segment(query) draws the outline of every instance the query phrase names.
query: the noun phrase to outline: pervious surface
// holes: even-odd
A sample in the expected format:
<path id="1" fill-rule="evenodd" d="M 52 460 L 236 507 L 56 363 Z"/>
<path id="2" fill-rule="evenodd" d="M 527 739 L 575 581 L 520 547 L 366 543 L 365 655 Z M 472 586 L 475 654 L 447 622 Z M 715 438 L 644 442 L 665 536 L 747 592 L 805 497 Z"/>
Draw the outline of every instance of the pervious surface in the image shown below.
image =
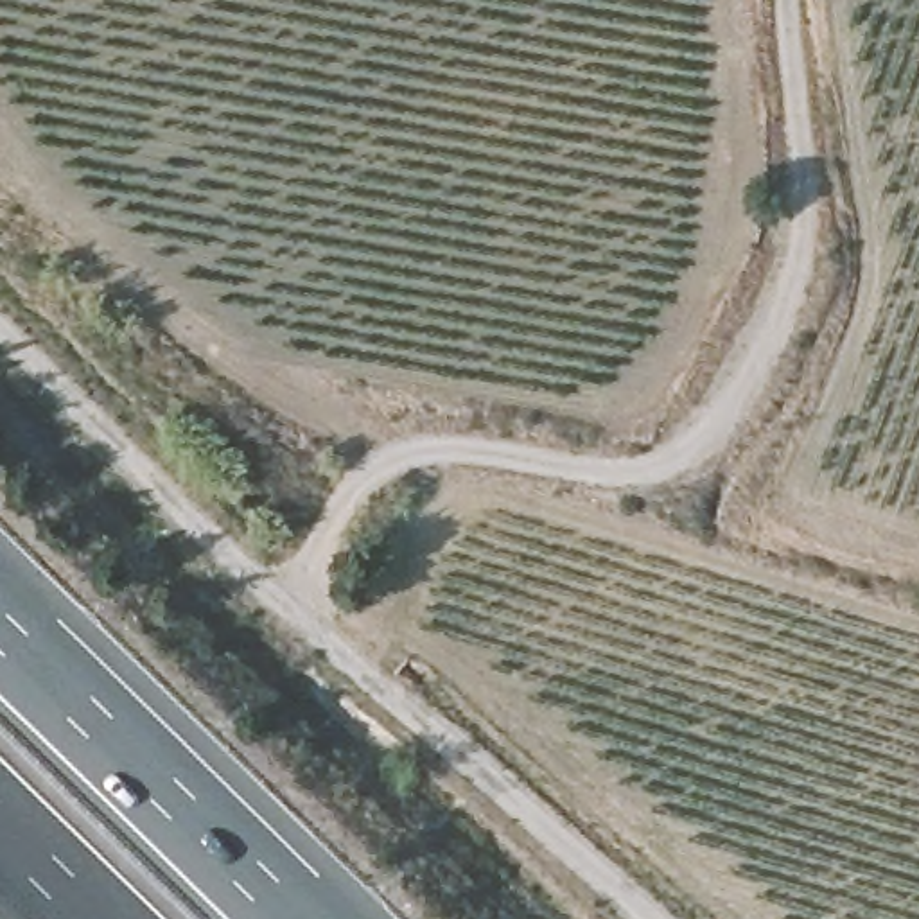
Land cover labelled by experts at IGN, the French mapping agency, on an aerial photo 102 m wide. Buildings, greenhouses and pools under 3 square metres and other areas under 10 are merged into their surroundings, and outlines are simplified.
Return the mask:
<path id="1" fill-rule="evenodd" d="M 700 467 L 714 452 L 722 452 L 725 442 L 736 434 L 736 424 L 747 413 L 754 413 L 757 398 L 765 395 L 772 366 L 779 363 L 779 352 L 797 334 L 797 309 L 804 305 L 818 233 L 815 201 L 833 194 L 826 162 L 811 158 L 815 140 L 797 0 L 775 0 L 790 162 L 768 165 L 757 179 L 768 194 L 779 197 L 779 212 L 786 215 L 783 223 L 790 230 L 786 251 L 775 258 L 750 323 L 736 334 L 729 359 L 718 366 L 707 402 L 693 409 L 693 416 L 682 427 L 675 427 L 675 434 L 661 449 L 646 456 L 596 456 L 535 449 L 481 434 L 416 434 L 370 449 L 366 460 L 355 470 L 348 470 L 341 485 L 334 485 L 319 524 L 305 538 L 298 553 L 284 564 L 255 560 L 226 535 L 226 528 L 215 517 L 197 510 L 187 499 L 187 492 L 140 449 L 115 424 L 115 416 L 104 413 L 104 406 L 97 406 L 65 373 L 57 359 L 39 352 L 18 323 L 11 323 L 0 312 L 0 345 L 14 363 L 22 363 L 25 373 L 36 373 L 39 384 L 61 398 L 61 413 L 68 424 L 75 424 L 90 442 L 111 449 L 118 477 L 133 488 L 144 488 L 169 524 L 176 524 L 187 535 L 201 535 L 212 546 L 215 564 L 233 578 L 241 574 L 244 585 L 255 592 L 258 607 L 266 610 L 284 628 L 305 635 L 309 646 L 327 650 L 330 664 L 345 671 L 359 689 L 366 689 L 381 707 L 388 707 L 413 736 L 427 736 L 434 750 L 445 754 L 449 768 L 456 765 L 460 772 L 467 772 L 481 793 L 488 793 L 503 811 L 521 818 L 521 826 L 553 858 L 578 872 L 592 890 L 610 897 L 625 919 L 675 919 L 635 880 L 628 880 L 614 862 L 607 862 L 589 840 L 564 826 L 535 793 L 528 793 L 492 754 L 477 750 L 463 729 L 445 722 L 406 682 L 388 678 L 345 635 L 337 635 L 337 607 L 330 600 L 330 560 L 348 546 L 345 531 L 352 517 L 381 485 L 395 481 L 406 470 L 424 470 L 442 463 L 485 463 L 585 485 L 621 485 L 635 495 L 646 485 L 671 481 L 675 474 Z"/>

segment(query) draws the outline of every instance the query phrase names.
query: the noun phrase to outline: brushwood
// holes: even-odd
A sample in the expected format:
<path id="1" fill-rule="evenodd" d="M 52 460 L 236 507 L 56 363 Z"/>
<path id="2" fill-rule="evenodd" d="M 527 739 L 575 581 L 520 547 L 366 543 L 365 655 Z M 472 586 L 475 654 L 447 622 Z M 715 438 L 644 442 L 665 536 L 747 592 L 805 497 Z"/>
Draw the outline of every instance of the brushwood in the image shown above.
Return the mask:
<path id="1" fill-rule="evenodd" d="M 22 363 L 14 363 L 0 345 L 0 481 L 7 506 L 25 513 L 36 524 L 39 538 L 47 538 L 57 553 L 72 556 L 72 564 L 93 582 L 97 592 L 111 596 L 122 614 L 133 614 L 140 632 L 165 657 L 172 657 L 187 678 L 194 678 L 219 700 L 219 707 L 233 718 L 237 736 L 244 736 L 248 743 L 262 743 L 269 757 L 291 768 L 294 783 L 319 797 L 323 808 L 366 844 L 377 865 L 395 869 L 402 887 L 416 901 L 424 901 L 424 908 L 434 919 L 571 919 L 553 905 L 553 897 L 535 880 L 521 872 L 521 865 L 495 844 L 488 829 L 481 829 L 467 811 L 452 808 L 445 793 L 434 790 L 434 775 L 445 775 L 449 768 L 445 754 L 434 750 L 427 736 L 413 736 L 413 740 L 416 765 L 406 793 L 391 793 L 381 779 L 384 747 L 355 718 L 341 711 L 337 689 L 319 689 L 309 675 L 294 671 L 284 653 L 276 653 L 266 643 L 266 610 L 258 607 L 255 592 L 244 585 L 241 574 L 233 578 L 215 564 L 212 546 L 201 535 L 187 535 L 176 524 L 169 524 L 144 488 L 133 488 L 118 477 L 111 449 L 90 442 L 75 424 L 68 424 L 61 413 L 61 398 L 39 384 L 36 373 L 25 373 Z"/>

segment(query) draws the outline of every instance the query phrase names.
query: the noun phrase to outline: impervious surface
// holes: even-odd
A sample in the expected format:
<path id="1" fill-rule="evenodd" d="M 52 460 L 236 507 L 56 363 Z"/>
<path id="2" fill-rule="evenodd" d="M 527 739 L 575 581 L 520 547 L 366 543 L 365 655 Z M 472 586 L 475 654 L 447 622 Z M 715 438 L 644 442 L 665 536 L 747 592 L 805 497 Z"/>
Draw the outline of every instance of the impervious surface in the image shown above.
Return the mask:
<path id="1" fill-rule="evenodd" d="M 233 718 L 219 707 L 219 700 L 194 678 L 187 678 L 172 657 L 165 657 L 140 632 L 133 614 L 122 614 L 111 596 L 97 592 L 93 582 L 72 564 L 72 556 L 57 553 L 47 538 L 39 538 L 36 524 L 25 513 L 7 506 L 0 481 L 0 919 L 434 919 L 424 908 L 424 901 L 416 901 L 402 887 L 395 869 L 377 865 L 366 844 L 323 808 L 319 797 L 294 783 L 291 768 L 269 757 L 262 743 L 248 743 L 244 736 L 237 736 Z"/>

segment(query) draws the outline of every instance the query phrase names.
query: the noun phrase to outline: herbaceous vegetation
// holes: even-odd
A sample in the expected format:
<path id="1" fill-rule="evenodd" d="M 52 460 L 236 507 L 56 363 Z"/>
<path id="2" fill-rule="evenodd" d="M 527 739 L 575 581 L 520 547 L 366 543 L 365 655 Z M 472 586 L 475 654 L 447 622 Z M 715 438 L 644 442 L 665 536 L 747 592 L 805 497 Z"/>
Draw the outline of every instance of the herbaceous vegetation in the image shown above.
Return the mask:
<path id="1" fill-rule="evenodd" d="M 348 470 L 355 470 L 366 460 L 370 449 L 366 438 L 316 434 L 309 424 L 284 420 L 276 409 L 248 395 L 248 388 L 230 381 L 223 370 L 215 370 L 205 355 L 197 355 L 169 330 L 165 319 L 176 312 L 172 302 L 158 302 L 151 287 L 133 287 L 118 280 L 93 248 L 36 251 L 43 237 L 39 215 L 22 201 L 7 205 L 0 219 L 0 312 L 11 323 L 18 323 L 39 352 L 57 359 L 65 373 L 97 406 L 104 406 L 104 413 L 115 416 L 115 424 L 140 449 L 154 442 L 151 424 L 158 413 L 169 424 L 179 424 L 183 416 L 212 424 L 215 434 L 223 434 L 226 445 L 244 456 L 244 506 L 280 513 L 287 528 L 305 538 L 319 524 L 334 485 L 341 485 Z"/>

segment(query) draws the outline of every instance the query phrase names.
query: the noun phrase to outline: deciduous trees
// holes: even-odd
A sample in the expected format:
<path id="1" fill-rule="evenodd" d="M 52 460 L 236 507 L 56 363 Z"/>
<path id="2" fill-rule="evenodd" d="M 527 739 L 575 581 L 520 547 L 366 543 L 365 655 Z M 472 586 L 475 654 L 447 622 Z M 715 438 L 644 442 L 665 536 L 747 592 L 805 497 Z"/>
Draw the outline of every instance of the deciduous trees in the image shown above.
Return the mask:
<path id="1" fill-rule="evenodd" d="M 212 424 L 183 416 L 179 424 L 169 424 L 158 413 L 151 424 L 154 442 L 140 449 L 187 492 L 187 499 L 197 510 L 215 517 L 226 528 L 226 535 L 255 560 L 284 564 L 298 553 L 305 538 L 287 528 L 280 513 L 244 506 L 244 456 L 226 445 L 223 434 L 215 434 Z"/>
<path id="2" fill-rule="evenodd" d="M 747 187 L 747 212 L 761 226 L 783 223 L 786 215 L 779 212 L 779 197 L 768 194 L 757 179 L 750 179 Z"/>
<path id="3" fill-rule="evenodd" d="M 388 521 L 431 517 L 427 503 L 438 495 L 438 477 L 424 470 L 406 470 L 395 481 L 381 485 L 352 517 L 345 531 L 348 546 L 330 560 L 330 600 L 337 607 L 352 600 L 359 564 L 388 528 Z"/>
<path id="4" fill-rule="evenodd" d="M 381 779 L 391 793 L 406 793 L 416 765 L 413 740 L 384 747 Z"/>

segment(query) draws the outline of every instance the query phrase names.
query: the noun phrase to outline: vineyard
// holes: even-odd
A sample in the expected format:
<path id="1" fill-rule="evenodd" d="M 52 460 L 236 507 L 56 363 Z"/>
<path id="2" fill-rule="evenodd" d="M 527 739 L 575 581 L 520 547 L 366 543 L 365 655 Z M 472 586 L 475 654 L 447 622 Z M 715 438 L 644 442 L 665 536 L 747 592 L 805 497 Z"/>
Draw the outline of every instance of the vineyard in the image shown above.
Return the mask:
<path id="1" fill-rule="evenodd" d="M 226 255 L 215 258 L 212 269 L 190 266 L 187 276 L 215 284 L 223 305 L 269 305 L 262 327 L 291 330 L 294 352 L 420 370 L 456 381 L 574 395 L 585 384 L 614 384 L 621 377 L 621 366 L 632 366 L 635 352 L 643 352 L 650 337 L 661 334 L 661 312 L 664 305 L 678 302 L 678 276 L 693 266 L 700 179 L 707 169 L 707 140 L 718 104 L 711 97 L 711 68 L 718 47 L 707 32 L 711 0 L 0 0 L 0 83 L 11 86 L 11 104 L 18 104 L 32 122 L 36 144 L 68 151 L 68 169 L 79 172 L 79 187 L 90 187 L 97 201 L 93 208 L 133 212 L 133 233 L 226 248 Z"/>
<path id="2" fill-rule="evenodd" d="M 499 671 L 535 678 L 542 686 L 538 704 L 564 707 L 571 732 L 607 740 L 603 761 L 628 765 L 625 786 L 653 793 L 653 811 L 696 822 L 696 844 L 740 854 L 740 876 L 761 880 L 765 901 L 783 905 L 783 919 L 919 919 L 919 632 L 883 625 L 844 607 L 822 607 L 808 596 L 718 574 L 711 567 L 693 567 L 675 556 L 643 553 L 635 546 L 596 538 L 578 528 L 549 524 L 542 517 L 528 517 L 517 510 L 481 510 L 477 521 L 456 521 L 452 535 L 431 553 L 431 567 L 420 582 L 434 596 L 431 632 L 474 646 L 492 646 L 503 653 Z"/>
<path id="3" fill-rule="evenodd" d="M 822 452 L 822 470 L 829 470 L 836 488 L 854 488 L 872 506 L 894 506 L 919 517 L 919 0 L 862 0 L 851 14 L 851 22 L 865 29 L 858 57 L 872 72 L 862 97 L 876 97 L 869 136 L 880 140 L 880 165 L 887 165 L 890 172 L 887 194 L 897 205 L 890 233 L 901 241 L 901 258 L 897 266 L 890 266 L 890 284 L 883 287 L 876 327 L 865 341 L 865 355 L 876 363 L 876 381 L 869 384 L 858 413 L 836 420 L 829 449 Z"/>
<path id="4" fill-rule="evenodd" d="M 854 585 L 862 592 L 887 592 L 890 600 L 905 596 L 919 610 L 919 578 L 865 574 L 818 553 L 790 556 L 790 571 L 811 571 L 840 585 Z"/>

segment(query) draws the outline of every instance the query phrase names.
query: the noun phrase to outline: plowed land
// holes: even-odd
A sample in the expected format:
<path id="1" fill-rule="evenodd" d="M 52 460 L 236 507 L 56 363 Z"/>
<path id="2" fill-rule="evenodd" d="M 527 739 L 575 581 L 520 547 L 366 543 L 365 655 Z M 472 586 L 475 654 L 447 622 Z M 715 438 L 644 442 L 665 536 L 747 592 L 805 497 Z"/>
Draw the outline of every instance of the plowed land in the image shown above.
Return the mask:
<path id="1" fill-rule="evenodd" d="M 607 740 L 571 732 L 564 707 L 538 704 L 542 686 L 535 678 L 499 671 L 503 653 L 492 646 L 474 646 L 431 632 L 434 596 L 420 582 L 431 567 L 431 553 L 452 535 L 456 521 L 477 521 L 481 510 L 517 510 L 528 517 L 542 517 L 549 524 L 578 528 L 596 538 L 635 546 L 643 553 L 675 556 L 693 567 L 711 567 L 718 574 L 808 596 L 822 607 L 844 607 L 883 625 L 919 632 L 919 610 L 905 596 L 890 600 L 887 592 L 862 592 L 854 585 L 840 585 L 811 571 L 790 571 L 790 556 L 818 553 L 865 574 L 919 578 L 919 517 L 894 506 L 872 506 L 854 488 L 836 488 L 829 470 L 822 470 L 822 452 L 829 449 L 836 420 L 858 413 L 869 384 L 876 381 L 876 363 L 865 355 L 865 341 L 876 327 L 883 287 L 890 284 L 890 266 L 897 266 L 901 258 L 901 241 L 890 233 L 897 205 L 887 194 L 890 172 L 887 165 L 880 165 L 880 140 L 869 136 L 876 97 L 862 97 L 872 72 L 858 57 L 865 29 L 851 22 L 851 14 L 862 0 L 797 0 L 815 140 L 811 158 L 826 162 L 833 194 L 815 201 L 818 233 L 804 305 L 797 309 L 797 334 L 779 352 L 779 363 L 772 366 L 765 395 L 757 398 L 754 413 L 747 413 L 736 424 L 736 434 L 725 442 L 722 452 L 714 452 L 700 467 L 675 474 L 671 481 L 646 485 L 635 495 L 621 485 L 585 485 L 485 463 L 442 463 L 424 470 L 438 477 L 438 495 L 427 503 L 431 517 L 388 521 L 388 528 L 359 564 L 352 600 L 337 607 L 337 635 L 345 635 L 388 678 L 406 682 L 445 722 L 463 729 L 477 750 L 492 754 L 528 793 L 535 793 L 564 826 L 589 840 L 607 862 L 614 862 L 628 880 L 635 880 L 675 919 L 783 919 L 783 905 L 765 901 L 761 880 L 740 876 L 740 854 L 696 844 L 696 822 L 653 811 L 653 793 L 625 786 L 628 765 L 603 761 Z"/>
<path id="2" fill-rule="evenodd" d="M 592 890 L 578 872 L 553 858 L 521 826 L 521 818 L 503 811 L 488 793 L 481 793 L 467 772 L 460 772 L 456 765 L 449 768 L 445 775 L 434 775 L 434 790 L 445 793 L 452 808 L 467 811 L 481 829 L 488 829 L 495 844 L 521 865 L 521 872 L 535 880 L 553 897 L 553 905 L 571 919 L 625 919 L 610 897 Z"/>
<path id="3" fill-rule="evenodd" d="M 284 628 L 266 610 L 266 643 L 276 653 L 284 653 L 294 671 L 309 675 L 319 689 L 337 689 L 341 711 L 355 718 L 384 747 L 413 740 L 413 736 L 388 707 L 381 707 L 366 689 L 359 689 L 345 671 L 330 664 L 327 650 L 309 646 L 305 635 Z"/>
<path id="4" fill-rule="evenodd" d="M 262 327 L 269 305 L 223 305 L 215 284 L 187 276 L 190 266 L 212 269 L 215 258 L 226 255 L 226 248 L 133 233 L 133 212 L 93 208 L 97 201 L 90 187 L 79 187 L 79 172 L 68 169 L 68 151 L 36 144 L 32 122 L 18 104 L 11 104 L 11 86 L 0 83 L 0 219 L 7 205 L 22 201 L 39 215 L 43 237 L 36 251 L 93 248 L 118 280 L 133 287 L 151 287 L 158 302 L 172 302 L 176 312 L 165 319 L 169 330 L 197 355 L 205 355 L 215 370 L 223 370 L 230 381 L 248 388 L 248 395 L 276 409 L 284 420 L 309 424 L 316 434 L 366 438 L 370 449 L 416 434 L 481 434 L 535 449 L 596 456 L 646 456 L 661 449 L 675 434 L 675 427 L 682 427 L 693 416 L 693 409 L 707 402 L 718 366 L 729 359 L 736 334 L 750 323 L 775 258 L 786 251 L 790 230 L 783 223 L 761 226 L 747 212 L 747 187 L 750 179 L 757 179 L 768 165 L 790 162 L 775 0 L 711 0 L 707 32 L 718 47 L 711 68 L 711 97 L 718 104 L 707 140 L 707 169 L 700 179 L 693 266 L 678 276 L 678 302 L 664 305 L 661 312 L 661 334 L 650 337 L 643 352 L 635 352 L 632 366 L 621 366 L 621 377 L 614 384 L 585 384 L 574 395 L 456 381 L 420 370 L 294 352 L 291 330 Z"/>

